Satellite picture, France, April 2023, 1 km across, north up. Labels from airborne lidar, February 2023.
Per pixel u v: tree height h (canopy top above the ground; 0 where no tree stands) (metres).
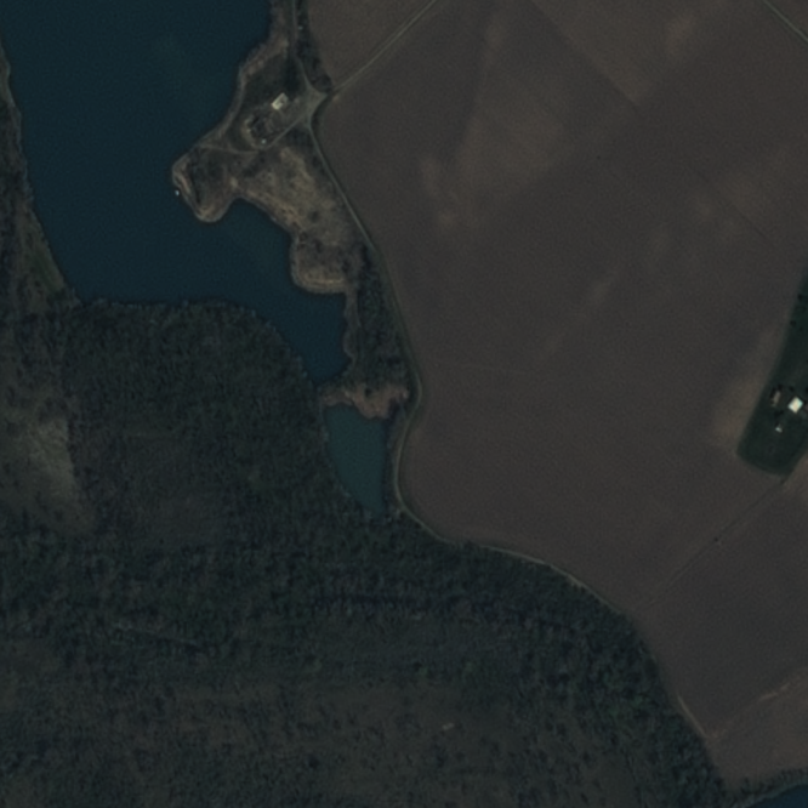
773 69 0
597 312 0
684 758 25
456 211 0
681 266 0
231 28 0
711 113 0
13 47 0
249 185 0
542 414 0
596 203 0
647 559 0
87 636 19
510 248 0
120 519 9
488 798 0
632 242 0
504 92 0
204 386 19
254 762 9
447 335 0
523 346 0
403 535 12
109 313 9
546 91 0
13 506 0
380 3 0
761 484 0
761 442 0
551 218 0
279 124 0
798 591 0
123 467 13
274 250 0
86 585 19
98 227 0
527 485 0
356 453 0
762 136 0
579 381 0
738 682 0
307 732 12
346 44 0
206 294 0
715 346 0
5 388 0
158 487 7
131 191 0
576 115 0
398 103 0
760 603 0
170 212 0
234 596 16
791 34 0
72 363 7
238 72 0
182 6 0
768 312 0
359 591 10
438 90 0
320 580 12
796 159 0
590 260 0
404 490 0
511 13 0
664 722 17
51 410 14
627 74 0
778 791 13
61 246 0
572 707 25
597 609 11
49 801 5
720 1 0
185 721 11
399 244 0
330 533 18
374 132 0
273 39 14
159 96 0
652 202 0
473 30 0
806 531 0
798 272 0
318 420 8
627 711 26
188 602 19
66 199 0
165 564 20
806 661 0
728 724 0
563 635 24
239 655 22
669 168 0
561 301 0
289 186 0
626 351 0
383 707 0
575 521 0
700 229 0
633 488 0
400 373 25
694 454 0
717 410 0
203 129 0
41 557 7
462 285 0
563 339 0
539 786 0
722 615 0
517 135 0
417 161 0
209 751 10
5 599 19
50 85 0
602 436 0
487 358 0
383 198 0
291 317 0
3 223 28
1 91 0
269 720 14
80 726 8
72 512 0
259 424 12
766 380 0
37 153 0
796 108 0
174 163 0
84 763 20
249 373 13
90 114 0
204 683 8
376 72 0
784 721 0
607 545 0
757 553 0
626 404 0
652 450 0
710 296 0
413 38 0
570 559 0
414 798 12
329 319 0
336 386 8
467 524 0
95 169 0
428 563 18
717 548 0
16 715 7
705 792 15
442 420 0
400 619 19
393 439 22
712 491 0
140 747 10
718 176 0
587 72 0
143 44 0
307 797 7
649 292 0
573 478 0
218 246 0
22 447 0
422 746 0
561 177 0
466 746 0
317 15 0
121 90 0
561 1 0
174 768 12
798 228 0
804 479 0
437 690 14
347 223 0
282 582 26
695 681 0
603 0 0
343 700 0
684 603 0
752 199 0
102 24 0
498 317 0
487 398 0
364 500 0
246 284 0
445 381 0
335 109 0
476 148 0
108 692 9
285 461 15
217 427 10
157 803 0
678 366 0
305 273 0
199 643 16
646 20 0
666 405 0
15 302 28
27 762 18
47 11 0
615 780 0
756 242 0
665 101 0
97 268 0
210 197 0
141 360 16
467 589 11
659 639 0
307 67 20
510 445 0
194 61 0
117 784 16
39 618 23
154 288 0
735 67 0
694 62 0
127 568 9
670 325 0
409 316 0
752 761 0
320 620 14
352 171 0
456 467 0
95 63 0
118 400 11
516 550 0
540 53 0
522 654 25
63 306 21
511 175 0
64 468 0
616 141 0
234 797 6
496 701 10
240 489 17
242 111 0
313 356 0
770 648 0
